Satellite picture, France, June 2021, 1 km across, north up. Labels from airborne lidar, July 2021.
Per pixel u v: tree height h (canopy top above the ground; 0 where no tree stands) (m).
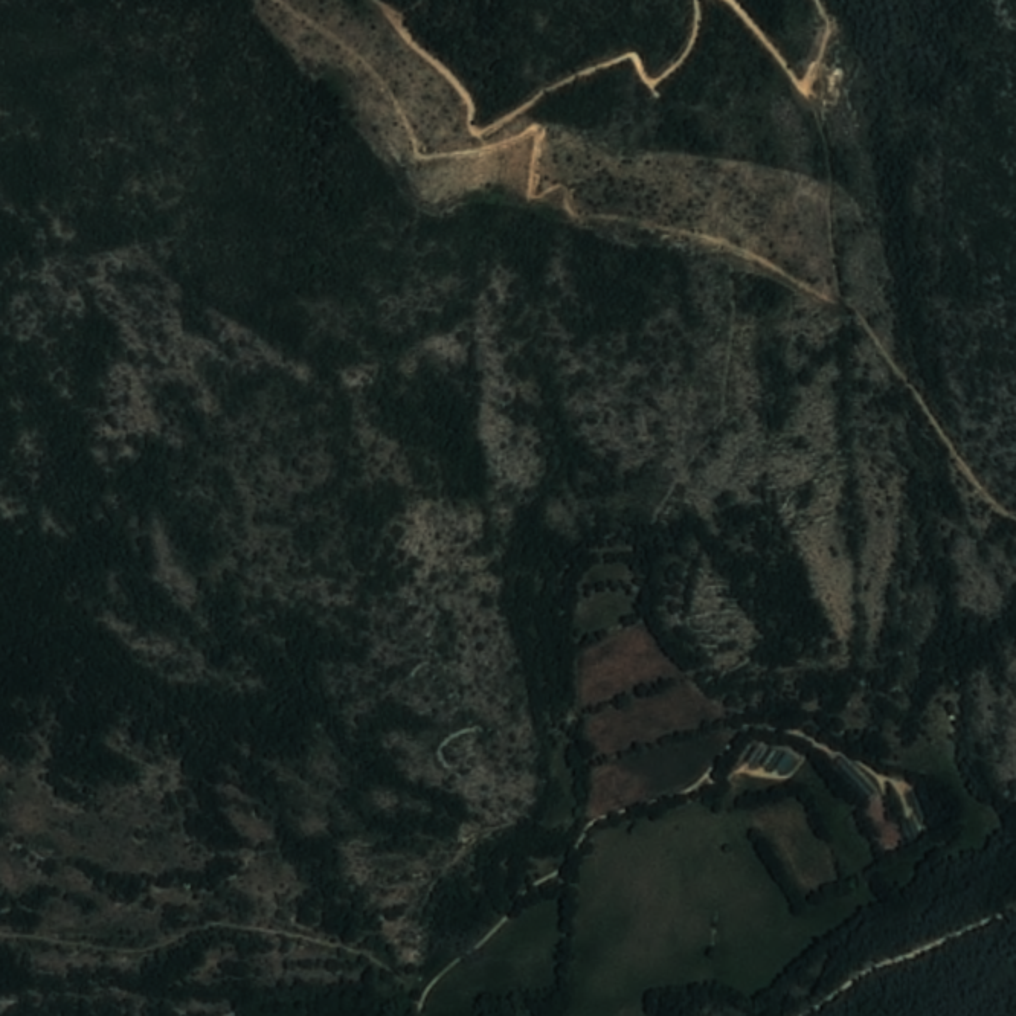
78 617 11
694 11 0
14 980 8
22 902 7
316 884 7
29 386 8
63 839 0
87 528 9
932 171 0
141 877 8
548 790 13
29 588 10
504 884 11
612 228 0
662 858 0
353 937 14
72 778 11
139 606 7
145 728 11
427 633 0
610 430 0
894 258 6
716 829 0
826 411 0
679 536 8
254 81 7
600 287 6
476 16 8
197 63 8
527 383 0
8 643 11
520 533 9
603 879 0
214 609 7
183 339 0
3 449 5
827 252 0
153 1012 12
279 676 8
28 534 8
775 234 0
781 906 0
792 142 0
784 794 16
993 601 0
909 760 0
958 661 11
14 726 9
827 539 0
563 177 0
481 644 8
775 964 0
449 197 0
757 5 8
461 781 0
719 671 7
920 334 6
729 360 0
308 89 7
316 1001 10
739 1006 11
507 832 9
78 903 6
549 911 0
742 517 13
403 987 7
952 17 6
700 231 0
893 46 8
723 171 0
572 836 11
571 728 10
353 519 5
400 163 0
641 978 0
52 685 9
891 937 13
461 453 13
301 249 6
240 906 9
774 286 7
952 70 6
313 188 9
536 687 12
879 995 7
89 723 8
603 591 14
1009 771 0
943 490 7
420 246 6
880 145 8
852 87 0
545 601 11
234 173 6
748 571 6
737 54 6
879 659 7
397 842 11
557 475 6
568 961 12
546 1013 13
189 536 9
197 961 15
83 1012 10
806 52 0
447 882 11
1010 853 13
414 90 0
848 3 9
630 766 0
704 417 0
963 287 6
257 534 0
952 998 13
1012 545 6
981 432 6
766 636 9
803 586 9
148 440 8
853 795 14
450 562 0
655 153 0
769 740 17
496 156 0
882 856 11
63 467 10
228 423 0
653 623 13
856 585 6
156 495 6
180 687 7
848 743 11
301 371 0
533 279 7
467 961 12
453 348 0
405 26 6
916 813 0
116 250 0
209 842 8
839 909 0
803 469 0
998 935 12
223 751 8
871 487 0
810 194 0
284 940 9
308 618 6
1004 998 12
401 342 7
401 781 7
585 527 7
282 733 10
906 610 6
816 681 12
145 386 0
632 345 7
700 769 0
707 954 8
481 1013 8
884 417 6
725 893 0
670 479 0
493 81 12
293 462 6
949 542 8
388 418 6
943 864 13
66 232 0
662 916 0
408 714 6
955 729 6
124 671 6
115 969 8
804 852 0
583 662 0
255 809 7
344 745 7
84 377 6
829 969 9
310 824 0
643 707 0
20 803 0
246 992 11
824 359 6
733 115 0
